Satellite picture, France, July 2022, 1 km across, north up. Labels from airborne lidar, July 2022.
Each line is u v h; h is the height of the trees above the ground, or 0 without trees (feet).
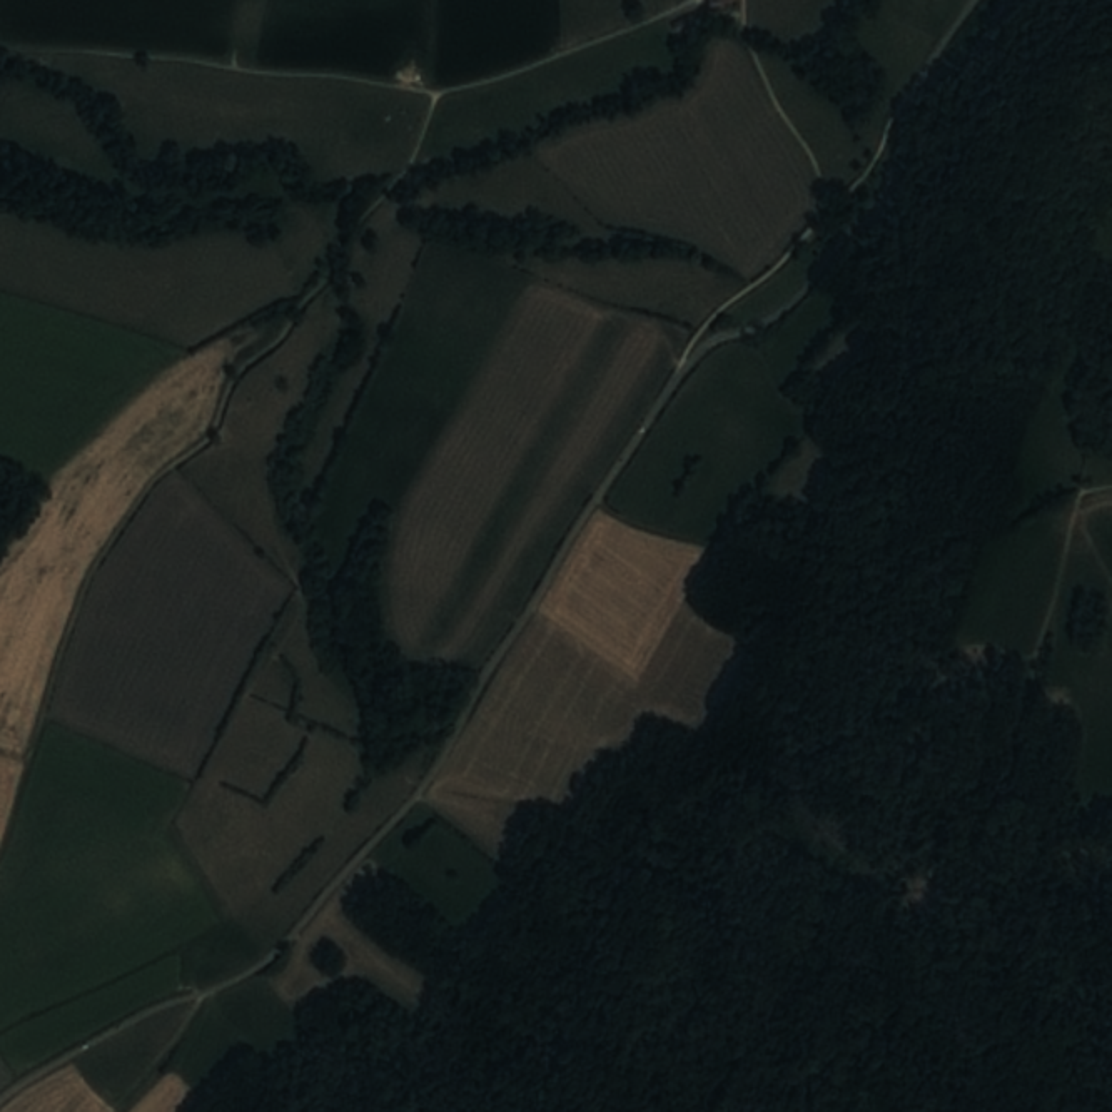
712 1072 62
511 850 55
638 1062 76
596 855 85
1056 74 75
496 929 71
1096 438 51
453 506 0
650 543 0
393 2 0
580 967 69
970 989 91
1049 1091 86
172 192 73
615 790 48
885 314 81
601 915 95
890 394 102
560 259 24
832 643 77
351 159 0
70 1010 0
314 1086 86
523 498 0
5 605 0
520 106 0
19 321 0
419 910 64
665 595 0
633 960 80
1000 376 67
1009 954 70
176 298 0
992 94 96
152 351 0
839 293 77
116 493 0
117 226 85
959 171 83
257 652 21
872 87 67
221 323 0
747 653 80
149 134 0
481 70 0
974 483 81
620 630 0
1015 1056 79
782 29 0
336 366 28
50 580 0
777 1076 52
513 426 0
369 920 69
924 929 96
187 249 0
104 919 0
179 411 0
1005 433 72
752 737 79
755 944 85
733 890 81
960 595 53
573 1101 71
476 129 0
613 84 0
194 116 0
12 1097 0
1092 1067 107
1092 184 58
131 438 0
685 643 0
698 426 0
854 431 94
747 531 72
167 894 0
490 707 0
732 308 0
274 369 0
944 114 74
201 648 0
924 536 85
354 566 59
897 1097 69
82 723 0
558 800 0
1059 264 61
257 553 26
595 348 0
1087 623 63
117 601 0
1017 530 35
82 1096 0
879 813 68
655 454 0
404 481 0
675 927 73
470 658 0
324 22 0
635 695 0
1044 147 67
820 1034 89
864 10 66
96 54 0
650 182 0
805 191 0
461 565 0
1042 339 80
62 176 64
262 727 0
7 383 0
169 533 0
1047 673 41
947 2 0
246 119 0
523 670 0
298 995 0
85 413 0
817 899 90
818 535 74
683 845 64
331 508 0
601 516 0
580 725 0
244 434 0
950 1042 52
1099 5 92
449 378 0
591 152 0
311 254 0
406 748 59
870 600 72
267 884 0
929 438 97
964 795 81
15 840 0
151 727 0
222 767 0
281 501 24
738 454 0
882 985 108
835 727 71
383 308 0
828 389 65
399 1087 81
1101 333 63
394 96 0
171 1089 0
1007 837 99
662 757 62
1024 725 72
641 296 0
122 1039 0
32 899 0
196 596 0
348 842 0
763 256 0
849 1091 52
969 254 98
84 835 0
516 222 29
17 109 0
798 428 0
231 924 0
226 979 0
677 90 55
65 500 0
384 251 0
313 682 0
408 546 0
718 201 0
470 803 0
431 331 0
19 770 0
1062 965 91
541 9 0
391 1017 70
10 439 0
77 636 0
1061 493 41
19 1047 0
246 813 0
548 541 0
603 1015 81
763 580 86
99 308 0
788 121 0
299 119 0
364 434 0
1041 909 91
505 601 0
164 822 0
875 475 90
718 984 99
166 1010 0
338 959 58
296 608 0
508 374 0
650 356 0
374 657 20
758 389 0
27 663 0
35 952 0
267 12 0
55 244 0
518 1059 91
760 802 67
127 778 0
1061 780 75
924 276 83
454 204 0
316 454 0
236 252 0
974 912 88
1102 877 92
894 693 76
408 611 0
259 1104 81
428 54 0
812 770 89
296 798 0
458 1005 76
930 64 0
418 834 41
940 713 94
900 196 96
